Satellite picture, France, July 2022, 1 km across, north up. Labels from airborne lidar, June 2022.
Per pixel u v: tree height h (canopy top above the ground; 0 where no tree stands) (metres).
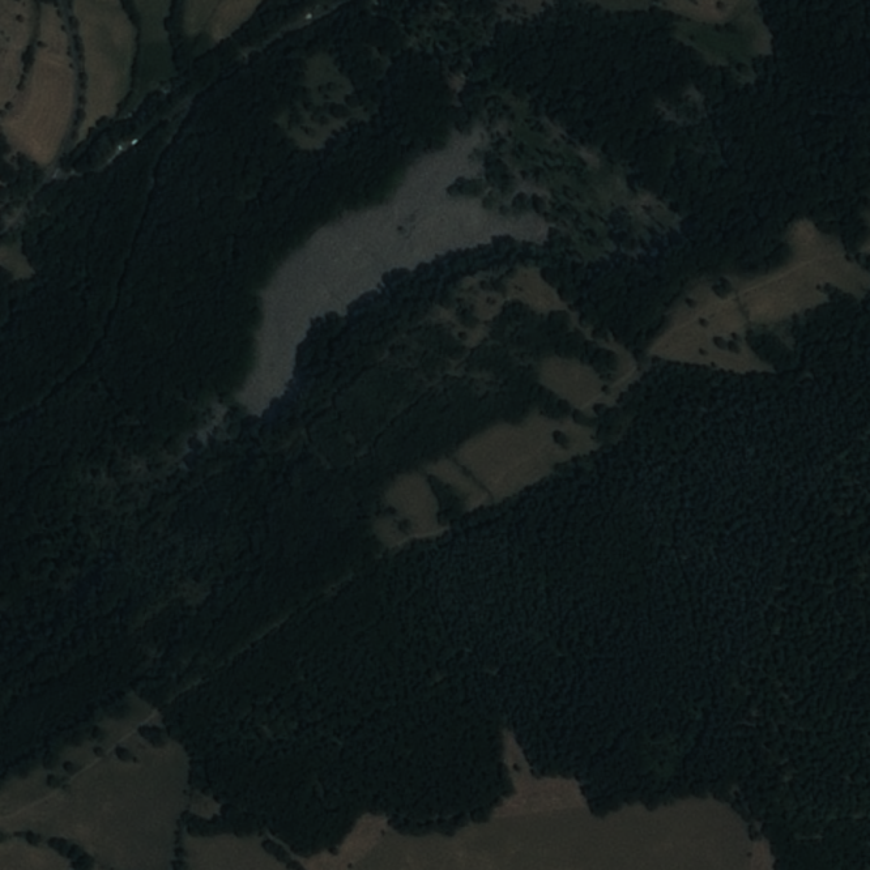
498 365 6
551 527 21
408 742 12
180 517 8
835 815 7
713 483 17
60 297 25
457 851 0
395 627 11
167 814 0
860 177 13
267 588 17
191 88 16
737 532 17
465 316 13
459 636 20
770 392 15
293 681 9
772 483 13
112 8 0
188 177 21
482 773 9
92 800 0
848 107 28
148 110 17
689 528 20
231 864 0
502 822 0
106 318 12
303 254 0
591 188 0
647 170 26
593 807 13
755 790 17
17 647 18
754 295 0
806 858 10
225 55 8
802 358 8
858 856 12
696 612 14
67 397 15
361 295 0
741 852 0
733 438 14
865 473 15
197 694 10
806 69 21
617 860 0
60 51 0
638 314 24
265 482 11
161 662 8
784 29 24
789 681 16
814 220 10
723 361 0
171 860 0
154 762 0
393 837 0
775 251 9
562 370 0
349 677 11
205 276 18
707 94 16
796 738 18
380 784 12
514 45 15
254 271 22
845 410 14
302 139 0
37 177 16
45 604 6
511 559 12
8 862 0
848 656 20
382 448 10
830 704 16
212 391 17
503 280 6
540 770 9
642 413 7
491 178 14
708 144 8
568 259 17
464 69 21
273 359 0
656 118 9
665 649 24
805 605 16
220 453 8
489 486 0
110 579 23
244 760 15
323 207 21
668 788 13
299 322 0
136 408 22
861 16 36
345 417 12
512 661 19
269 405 0
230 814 18
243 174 12
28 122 0
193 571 6
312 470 15
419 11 21
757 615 19
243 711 8
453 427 10
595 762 17
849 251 6
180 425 22
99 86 0
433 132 25
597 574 15
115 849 0
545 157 21
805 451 6
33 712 9
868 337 20
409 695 20
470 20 8
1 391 20
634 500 17
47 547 24
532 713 19
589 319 19
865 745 15
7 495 17
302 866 6
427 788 14
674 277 19
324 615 9
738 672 12
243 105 21
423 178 0
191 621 15
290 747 15
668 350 0
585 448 0
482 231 0
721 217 26
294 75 20
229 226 21
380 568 9
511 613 8
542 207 17
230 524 6
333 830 9
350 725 11
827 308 10
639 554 13
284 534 20
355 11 14
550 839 0
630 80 27
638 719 22
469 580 15
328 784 14
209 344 26
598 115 23
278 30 6
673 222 0
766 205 27
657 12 15
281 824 18
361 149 24
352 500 13
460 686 10
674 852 0
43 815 0
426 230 0
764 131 28
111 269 24
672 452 9
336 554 19
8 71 0
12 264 0
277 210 25
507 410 10
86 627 15
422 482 0
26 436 17
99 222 21
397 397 10
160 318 26
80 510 14
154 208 19
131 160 20
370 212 0
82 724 19
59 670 26
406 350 10
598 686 26
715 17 0
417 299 11
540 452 0
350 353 24
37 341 26
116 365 24
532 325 12
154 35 0
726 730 20
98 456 15
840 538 17
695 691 22
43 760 13
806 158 24
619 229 21
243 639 13
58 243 21
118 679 7
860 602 18
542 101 19
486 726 12
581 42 20
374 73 15
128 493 7
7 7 0
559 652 8
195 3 0
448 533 9
